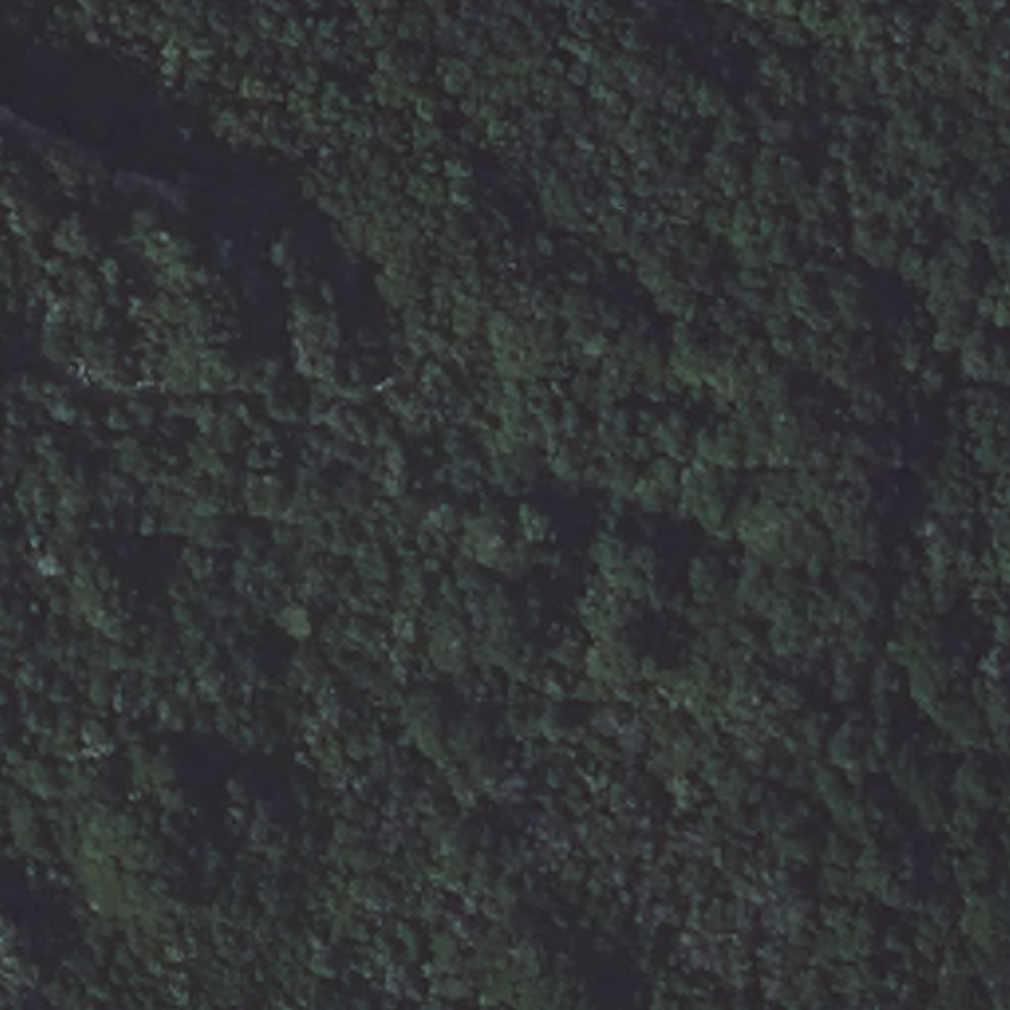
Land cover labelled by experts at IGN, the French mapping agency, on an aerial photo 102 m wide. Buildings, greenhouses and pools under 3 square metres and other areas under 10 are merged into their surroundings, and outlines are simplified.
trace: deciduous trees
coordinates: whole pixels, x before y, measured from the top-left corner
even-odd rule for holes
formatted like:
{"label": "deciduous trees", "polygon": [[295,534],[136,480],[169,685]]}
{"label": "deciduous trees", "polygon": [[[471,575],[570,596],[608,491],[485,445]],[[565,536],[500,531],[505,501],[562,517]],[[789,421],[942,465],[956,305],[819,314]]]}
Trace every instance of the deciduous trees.
{"label": "deciduous trees", "polygon": [[0,1010],[1010,1010],[1010,0],[0,0]]}

